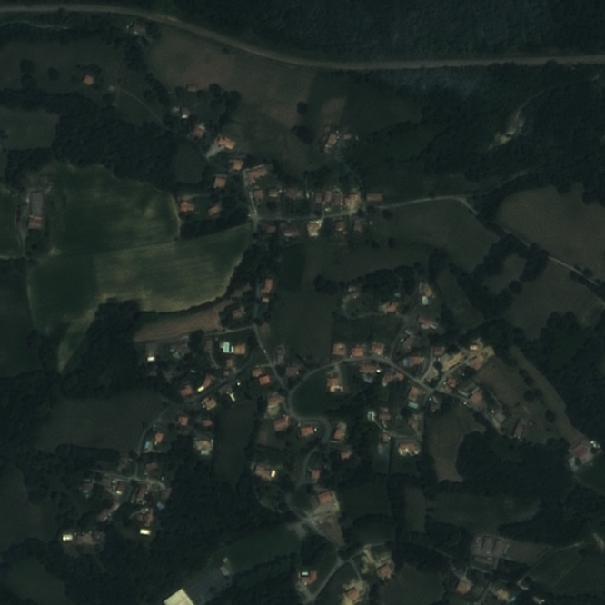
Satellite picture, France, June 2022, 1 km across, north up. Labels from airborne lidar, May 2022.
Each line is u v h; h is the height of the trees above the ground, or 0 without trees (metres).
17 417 6
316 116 0
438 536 20
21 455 27
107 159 20
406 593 0
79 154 24
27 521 0
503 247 20
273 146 0
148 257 0
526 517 0
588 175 16
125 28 0
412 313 0
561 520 23
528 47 20
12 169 14
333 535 0
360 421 13
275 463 0
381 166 0
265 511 16
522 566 12
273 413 0
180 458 16
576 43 9
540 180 19
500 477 30
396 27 10
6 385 14
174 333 0
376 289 20
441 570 13
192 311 8
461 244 0
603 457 0
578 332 19
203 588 0
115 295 0
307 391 0
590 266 0
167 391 21
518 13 10
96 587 14
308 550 13
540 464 18
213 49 0
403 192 0
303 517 0
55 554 24
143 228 0
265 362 0
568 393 26
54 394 21
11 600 13
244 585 26
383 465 0
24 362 0
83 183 0
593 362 6
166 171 22
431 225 0
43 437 0
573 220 0
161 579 11
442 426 0
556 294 0
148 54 0
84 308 0
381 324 0
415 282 14
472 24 8
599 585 0
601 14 11
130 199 0
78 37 8
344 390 0
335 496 0
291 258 0
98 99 0
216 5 10
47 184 0
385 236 0
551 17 9
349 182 12
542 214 0
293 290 0
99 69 9
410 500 0
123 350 9
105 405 0
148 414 0
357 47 11
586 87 17
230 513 21
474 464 28
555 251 0
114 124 17
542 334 11
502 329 19
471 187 0
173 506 19
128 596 23
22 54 0
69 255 0
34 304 0
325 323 0
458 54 24
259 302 13
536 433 0
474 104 21
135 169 19
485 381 0
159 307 0
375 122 0
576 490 8
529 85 11
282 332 0
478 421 14
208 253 0
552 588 0
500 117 12
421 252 0
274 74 0
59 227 0
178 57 0
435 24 12
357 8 13
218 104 14
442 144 7
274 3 9
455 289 0
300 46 15
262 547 0
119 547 26
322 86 0
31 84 17
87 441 0
